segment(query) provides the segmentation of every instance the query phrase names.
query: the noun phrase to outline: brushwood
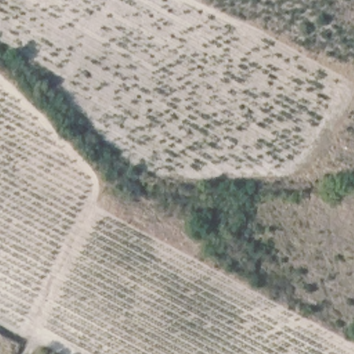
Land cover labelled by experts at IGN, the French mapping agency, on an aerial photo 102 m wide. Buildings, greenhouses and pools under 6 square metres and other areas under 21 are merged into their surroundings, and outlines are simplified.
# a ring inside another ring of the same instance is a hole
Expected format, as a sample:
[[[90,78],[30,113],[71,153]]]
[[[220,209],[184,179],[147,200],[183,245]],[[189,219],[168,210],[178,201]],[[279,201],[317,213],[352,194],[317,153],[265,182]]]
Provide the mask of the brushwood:
[[[307,281],[307,268],[292,265],[289,268],[281,268],[279,264],[288,263],[288,257],[278,257],[278,264],[268,261],[261,264],[261,270],[267,272],[267,277],[265,285],[259,289],[271,300],[285,304],[289,310],[300,314],[303,308],[311,308],[313,304],[297,299],[296,290],[301,288],[307,292],[315,292],[317,285]]]
[[[333,6],[333,0],[201,0],[207,6],[216,7],[242,21],[260,19],[263,21],[263,29],[279,35],[279,41],[289,46],[303,46],[308,51],[328,55],[339,59],[340,62],[350,61],[354,65],[354,26],[343,29],[340,25],[329,24],[332,15],[326,14],[322,6]]]
[[[346,145],[343,149],[335,145],[335,152],[339,156],[328,162],[328,166],[335,167],[336,173],[354,170],[354,122],[347,126],[347,129],[340,131]]]
[[[286,202],[300,203],[303,199],[310,198],[311,194],[314,187],[311,185],[307,188],[289,189],[279,177],[260,178],[261,187],[256,198],[257,203],[279,198]]]
[[[24,337],[0,325],[0,354],[22,354],[26,342]]]

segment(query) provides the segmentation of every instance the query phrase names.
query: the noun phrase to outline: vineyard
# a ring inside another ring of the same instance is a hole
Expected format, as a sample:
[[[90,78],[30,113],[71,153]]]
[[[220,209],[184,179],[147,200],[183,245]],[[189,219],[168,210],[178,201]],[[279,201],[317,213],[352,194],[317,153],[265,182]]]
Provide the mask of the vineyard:
[[[48,142],[55,145],[57,142],[22,126],[24,118],[8,111],[10,108],[19,109],[21,106],[12,104],[12,95],[4,93],[0,88],[0,325],[24,337],[26,342],[36,335],[37,325],[30,324],[26,314],[29,313],[35,297],[39,296],[40,290],[33,289],[30,283],[41,285],[39,278],[47,277],[51,264],[61,249],[59,245],[64,242],[69,228],[75,224],[77,213],[82,212],[84,201],[93,185],[88,174],[77,169],[77,159],[69,158],[62,152],[53,152],[50,155],[25,144],[26,140],[37,145]]]
[[[221,174],[227,174],[230,178],[260,178],[279,177],[289,176],[300,163],[306,162],[321,131],[333,129],[333,123],[346,111],[354,95],[354,83],[348,82],[346,76],[332,71],[329,66],[318,64],[308,57],[308,51],[303,46],[289,46],[279,41],[279,35],[263,29],[263,21],[260,19],[242,21],[216,7],[207,6],[201,0],[0,0],[0,41],[14,48],[24,47],[30,40],[35,41],[37,64],[62,77],[62,87],[73,95],[76,104],[86,113],[95,129],[101,131],[106,141],[115,144],[122,151],[123,158],[130,160],[133,165],[138,165],[144,159],[149,171],[158,176],[180,178],[183,181],[205,180]]]
[[[76,257],[73,270],[69,271],[68,281],[65,281],[64,288],[61,288],[64,295],[59,297],[57,307],[51,310],[46,328],[55,335],[64,337],[68,342],[83,347],[91,354],[354,354],[354,342],[325,328],[321,322],[304,318],[300,314],[289,310],[285,304],[271,300],[259,289],[253,289],[236,274],[217,270],[199,259],[162,241],[152,231],[142,231],[124,218],[109,212],[108,216],[95,223],[93,232],[90,232],[90,238],[86,241],[87,245],[84,245],[82,253]]]

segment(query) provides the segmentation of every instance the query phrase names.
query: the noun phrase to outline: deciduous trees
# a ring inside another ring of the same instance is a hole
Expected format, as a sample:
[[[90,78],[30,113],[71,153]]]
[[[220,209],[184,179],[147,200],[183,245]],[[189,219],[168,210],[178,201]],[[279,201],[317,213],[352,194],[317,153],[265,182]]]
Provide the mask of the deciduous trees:
[[[321,196],[329,205],[337,206],[354,191],[354,170],[336,173],[326,173],[325,176],[315,178],[311,180],[311,185],[314,187],[311,194]]]
[[[76,104],[73,95],[62,87],[62,77],[37,64],[35,41],[30,40],[24,47],[14,48],[0,41],[0,82],[8,77],[8,80],[17,84],[19,91],[53,123],[58,136],[71,142],[73,148],[90,163],[100,178],[108,183],[118,180],[119,191],[126,189],[130,192],[133,202],[140,201],[142,196],[153,199],[156,202],[156,210],[165,213],[165,217],[184,220],[187,235],[201,243],[199,259],[217,270],[236,274],[253,289],[259,289],[265,285],[267,277],[267,272],[261,270],[261,264],[268,261],[278,264],[278,257],[278,249],[275,248],[272,239],[263,242],[254,239],[254,234],[270,232],[271,227],[261,224],[256,217],[257,203],[256,198],[261,187],[260,178],[230,178],[227,174],[221,174],[205,180],[183,181],[180,178],[158,176],[149,171],[144,159],[138,165],[133,165],[130,160],[123,158],[122,151],[115,144],[106,141],[101,131],[95,129],[86,113]]]

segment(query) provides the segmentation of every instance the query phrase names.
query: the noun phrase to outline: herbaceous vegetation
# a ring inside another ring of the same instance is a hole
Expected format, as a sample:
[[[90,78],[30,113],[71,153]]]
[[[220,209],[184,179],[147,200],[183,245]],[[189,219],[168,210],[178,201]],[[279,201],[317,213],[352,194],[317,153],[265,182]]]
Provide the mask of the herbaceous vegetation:
[[[279,264],[281,268],[289,268],[292,265],[307,268],[307,281],[317,285],[315,292],[307,292],[301,288],[296,290],[297,299],[313,304],[311,308],[303,308],[300,314],[304,318],[321,322],[325,328],[354,342],[354,191],[337,206],[329,205],[321,196],[311,194],[310,198],[303,199],[300,203],[286,202],[279,198],[257,203],[256,217],[261,224],[271,227],[270,232],[254,234],[254,239],[263,242],[272,239],[275,248],[278,249],[278,257],[288,257],[288,263]]]
[[[326,173],[336,173],[335,167],[328,166],[328,162],[339,156],[335,152],[335,145],[343,149],[346,145],[340,131],[347,129],[347,126],[354,122],[354,95],[346,111],[333,123],[333,129],[321,131],[306,162],[300,163],[289,176],[279,177],[289,189],[307,188],[311,185],[311,180],[315,178],[325,176]]]
[[[343,29],[354,26],[354,0],[333,0],[333,6],[322,6],[326,14],[332,15],[329,24],[340,25]]]
[[[130,192],[126,189],[119,191],[118,180],[108,183],[100,178],[98,206],[109,212],[124,218],[142,231],[152,231],[162,241],[199,259],[201,243],[187,235],[184,220],[165,217],[165,213],[156,210],[156,202],[153,199],[142,196],[140,201],[133,202]]]
[[[308,57],[318,64],[329,66],[332,71],[346,76],[348,82],[354,83],[354,65],[350,61],[340,62],[339,59],[328,55],[308,51]]]

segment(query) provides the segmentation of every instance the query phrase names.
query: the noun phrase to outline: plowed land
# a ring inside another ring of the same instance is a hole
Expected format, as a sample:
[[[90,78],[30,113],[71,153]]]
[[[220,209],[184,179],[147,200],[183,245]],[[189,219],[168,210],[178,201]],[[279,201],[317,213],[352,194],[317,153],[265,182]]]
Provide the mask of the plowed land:
[[[17,84],[8,80],[8,77],[0,82],[0,88],[4,93],[12,95],[12,104],[21,106],[19,109],[10,108],[8,111],[24,118],[22,126],[57,142],[55,145],[48,142],[37,145],[26,140],[25,144],[50,155],[53,152],[62,152],[69,158],[77,159],[77,169],[88,174],[93,185],[84,201],[82,212],[77,213],[75,224],[69,228],[64,242],[59,245],[61,249],[51,264],[47,277],[39,278],[41,285],[30,283],[33,289],[40,290],[39,296],[35,297],[29,313],[26,314],[30,324],[37,325],[36,335],[26,342],[22,354],[91,354],[83,347],[68,342],[64,337],[55,335],[46,328],[51,310],[57,307],[59,297],[64,295],[61,288],[64,288],[65,281],[68,281],[69,271],[73,270],[76,257],[82,253],[84,245],[87,245],[86,241],[90,238],[90,232],[93,232],[95,223],[108,216],[109,212],[98,206],[100,178],[90,163],[73,148],[71,142],[58,136],[53,123],[19,91]]]

